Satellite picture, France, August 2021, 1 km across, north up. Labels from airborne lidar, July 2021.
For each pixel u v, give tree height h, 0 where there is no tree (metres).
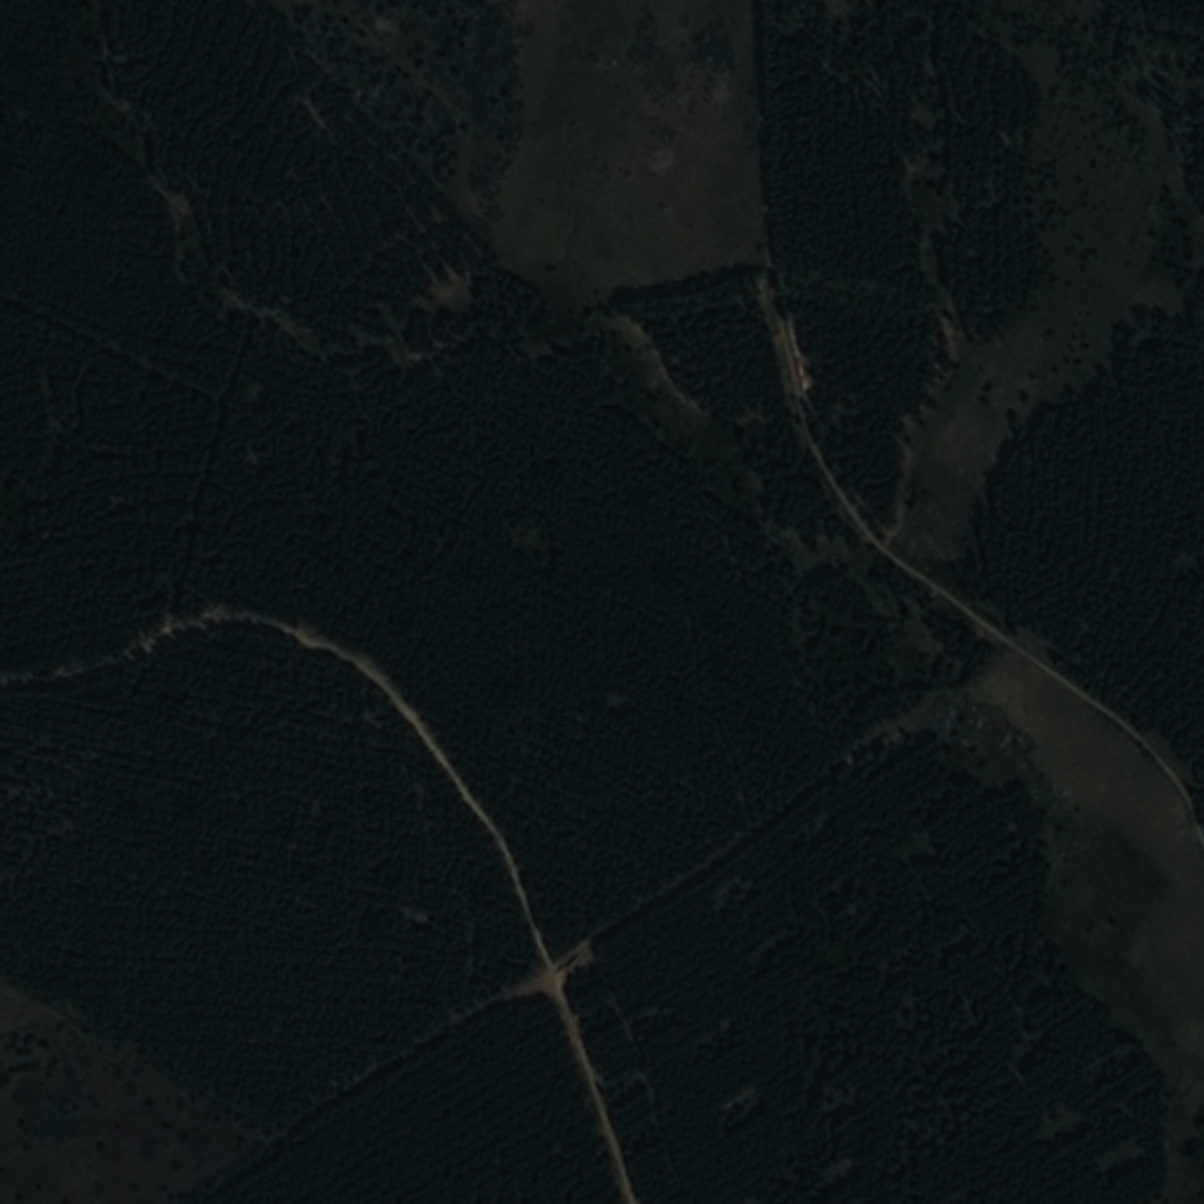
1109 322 0
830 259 22
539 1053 18
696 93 0
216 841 18
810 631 13
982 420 0
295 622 19
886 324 22
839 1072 19
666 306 21
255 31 16
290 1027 16
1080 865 0
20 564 19
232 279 18
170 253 16
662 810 14
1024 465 20
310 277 12
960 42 20
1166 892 0
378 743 9
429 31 0
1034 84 13
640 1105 15
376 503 20
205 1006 18
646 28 0
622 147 0
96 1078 0
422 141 8
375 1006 15
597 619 19
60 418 13
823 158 21
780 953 9
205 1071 13
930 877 21
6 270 20
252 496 18
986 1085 22
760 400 23
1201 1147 14
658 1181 16
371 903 17
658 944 19
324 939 18
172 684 19
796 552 0
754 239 0
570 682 16
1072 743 0
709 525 14
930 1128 16
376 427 21
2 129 22
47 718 17
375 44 0
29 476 18
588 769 16
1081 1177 21
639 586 21
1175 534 24
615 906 18
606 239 0
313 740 11
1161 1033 0
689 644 17
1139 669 22
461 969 17
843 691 12
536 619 19
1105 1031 20
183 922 19
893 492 21
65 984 16
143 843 16
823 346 22
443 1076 15
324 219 18
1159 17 22
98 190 17
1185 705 22
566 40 0
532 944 16
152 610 19
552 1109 18
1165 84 21
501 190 0
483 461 16
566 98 0
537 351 0
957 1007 17
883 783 19
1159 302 0
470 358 17
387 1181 18
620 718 19
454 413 20
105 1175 0
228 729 13
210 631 17
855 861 23
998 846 21
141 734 18
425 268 18
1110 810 0
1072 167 0
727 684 20
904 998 17
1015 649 0
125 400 19
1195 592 21
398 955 12
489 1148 19
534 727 10
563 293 0
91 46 14
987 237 21
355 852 17
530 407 19
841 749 19
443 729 12
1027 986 15
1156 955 0
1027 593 22
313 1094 17
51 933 17
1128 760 0
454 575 18
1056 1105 19
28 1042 9
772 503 18
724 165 0
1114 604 23
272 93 14
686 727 19
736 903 12
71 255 13
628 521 19
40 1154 0
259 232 19
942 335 20
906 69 22
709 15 0
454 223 13
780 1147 18
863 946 20
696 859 16
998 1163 20
